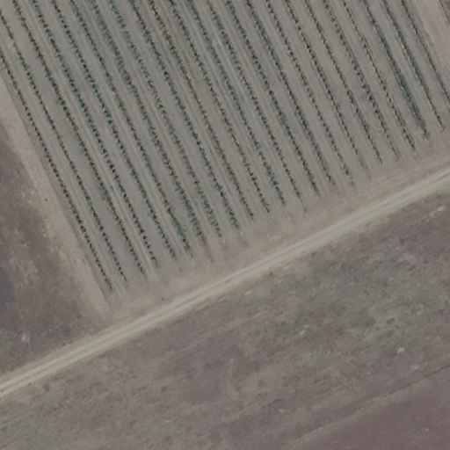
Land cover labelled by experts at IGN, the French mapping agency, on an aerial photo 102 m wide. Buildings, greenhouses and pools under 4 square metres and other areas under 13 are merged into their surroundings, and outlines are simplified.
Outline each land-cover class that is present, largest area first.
<instances>
[{"label":"agricultural land","instance_id":"1","mask_svg":"<svg viewBox=\"0 0 450 450\"><path fill-rule=\"evenodd\" d=\"M450 167V0H0V374L12 373L14 369L25 366L28 362H35L56 348L70 345L77 339L100 336L105 329H116L125 323L134 322L141 316L148 315L149 311L169 304L176 297L190 294L193 290L204 287L229 272L243 269L281 246L297 243L318 230L329 227L334 221L359 211L362 207L387 199L388 195L401 192L406 186L415 185L418 181ZM0 450H450V185L445 192L429 193L422 199L397 209L396 213L383 214L366 221L355 232H348L345 236L339 237L337 243L323 244L320 248L309 251L308 255L281 262L278 267H272L271 271L265 272L260 278L246 279L225 294L199 302L195 308L188 309L185 315H179L169 322L158 323L153 329L144 330L120 345L91 355L88 359L79 360L58 373L28 383L26 387L18 388L9 396L0 399Z\"/></svg>","mask_w":450,"mask_h":450},{"label":"pervious surface","instance_id":"2","mask_svg":"<svg viewBox=\"0 0 450 450\"><path fill-rule=\"evenodd\" d=\"M450 185V167L418 181L415 185L406 186L401 192L388 195L387 199L362 207L359 211L334 221L329 227L318 230L297 243L281 246L243 269L229 272L204 287L193 290L190 294L176 297L169 304L149 311L148 315L141 316L134 322L125 323L116 329H105L100 336L77 339L70 345L56 348L35 362H28L25 366L14 369L12 373L0 374V399L9 396L18 388L26 387L28 383L58 373L79 360L88 359L91 355L120 345L144 330L153 329L158 323L169 322L179 315H185L188 309L195 308L199 302L225 294L246 279L260 278L265 272L271 271L272 267H278L281 262L308 255L309 251L320 248L323 244L337 243L339 237L345 236L348 232H355L366 221L383 214L396 213L397 209L422 199L429 193L445 192Z\"/></svg>","mask_w":450,"mask_h":450}]
</instances>
